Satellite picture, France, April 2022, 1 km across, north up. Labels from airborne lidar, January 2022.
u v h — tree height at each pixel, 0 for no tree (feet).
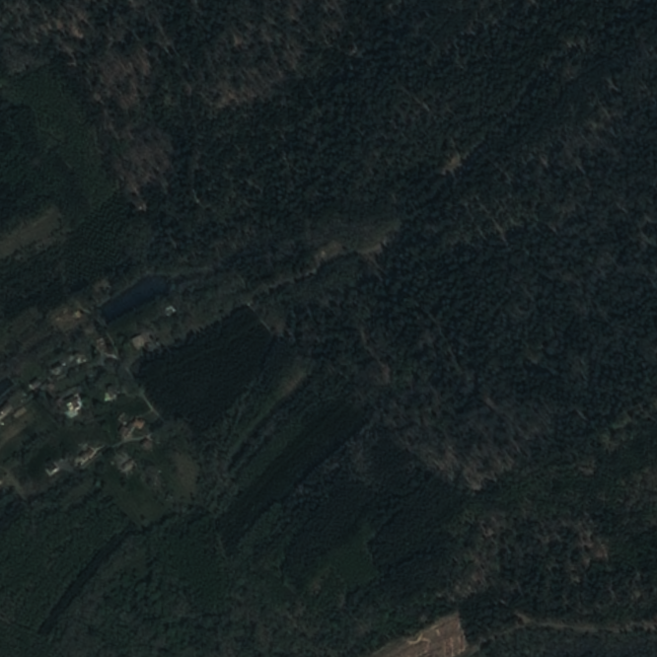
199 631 67
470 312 96
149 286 0
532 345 93
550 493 31
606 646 30
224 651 61
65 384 0
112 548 41
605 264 89
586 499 31
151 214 56
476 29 41
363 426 19
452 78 87
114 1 83
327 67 35
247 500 40
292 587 40
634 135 85
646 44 22
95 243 22
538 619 35
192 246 84
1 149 69
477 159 98
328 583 18
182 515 24
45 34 79
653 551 21
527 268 85
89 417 43
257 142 46
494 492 33
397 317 94
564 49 99
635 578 92
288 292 52
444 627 0
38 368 0
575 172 80
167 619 29
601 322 88
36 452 31
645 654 44
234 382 25
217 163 33
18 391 0
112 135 55
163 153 63
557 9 94
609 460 38
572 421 86
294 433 60
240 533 18
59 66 33
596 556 94
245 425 48
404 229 28
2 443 0
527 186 92
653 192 94
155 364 48
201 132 38
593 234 87
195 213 38
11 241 0
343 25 87
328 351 69
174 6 108
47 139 53
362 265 48
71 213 59
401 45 91
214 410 19
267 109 43
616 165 81
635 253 66
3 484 0
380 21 83
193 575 49
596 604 74
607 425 87
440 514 54
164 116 33
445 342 105
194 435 26
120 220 20
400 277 78
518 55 104
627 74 81
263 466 61
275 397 46
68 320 0
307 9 69
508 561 120
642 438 40
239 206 36
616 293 83
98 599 43
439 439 66
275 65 73
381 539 53
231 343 21
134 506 0
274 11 73
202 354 46
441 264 37
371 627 69
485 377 114
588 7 61
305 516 65
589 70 34
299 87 34
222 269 64
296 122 41
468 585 95
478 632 47
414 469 70
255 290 39
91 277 22
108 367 31
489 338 96
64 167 62
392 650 0
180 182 79
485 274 76
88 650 55
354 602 64
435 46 33
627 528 30
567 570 60
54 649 65
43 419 0
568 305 82
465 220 35
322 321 84
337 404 41
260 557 68
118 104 52
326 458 21
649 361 86
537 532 112
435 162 95
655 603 26
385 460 71
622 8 54
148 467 45
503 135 95
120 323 112
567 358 90
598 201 76
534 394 85
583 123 35
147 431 0
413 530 69
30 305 27
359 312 40
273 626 48
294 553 71
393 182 81
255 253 58
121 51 81
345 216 91
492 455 98
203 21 73
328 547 56
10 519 70
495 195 29
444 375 88
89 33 88
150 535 52
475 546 22
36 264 33
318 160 104
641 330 83
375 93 90
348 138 88
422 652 0
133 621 38
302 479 20
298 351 74
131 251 33
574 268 92
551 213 36
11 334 46
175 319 36
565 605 92
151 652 56
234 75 74
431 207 66
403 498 52
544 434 92
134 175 63
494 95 88
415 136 91
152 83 66
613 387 91
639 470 38
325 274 38
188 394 20
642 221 79
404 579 72
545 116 38
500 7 41
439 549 49
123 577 28
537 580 78
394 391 38
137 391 59
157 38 103
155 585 79
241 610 60
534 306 93
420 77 94
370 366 54
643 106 76
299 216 94
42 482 0
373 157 86
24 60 76
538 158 39
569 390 78
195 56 95
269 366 66
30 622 50
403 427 86
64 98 57
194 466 0
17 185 62
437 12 37
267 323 53
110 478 0
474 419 100
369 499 62
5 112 75
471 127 94
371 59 85
